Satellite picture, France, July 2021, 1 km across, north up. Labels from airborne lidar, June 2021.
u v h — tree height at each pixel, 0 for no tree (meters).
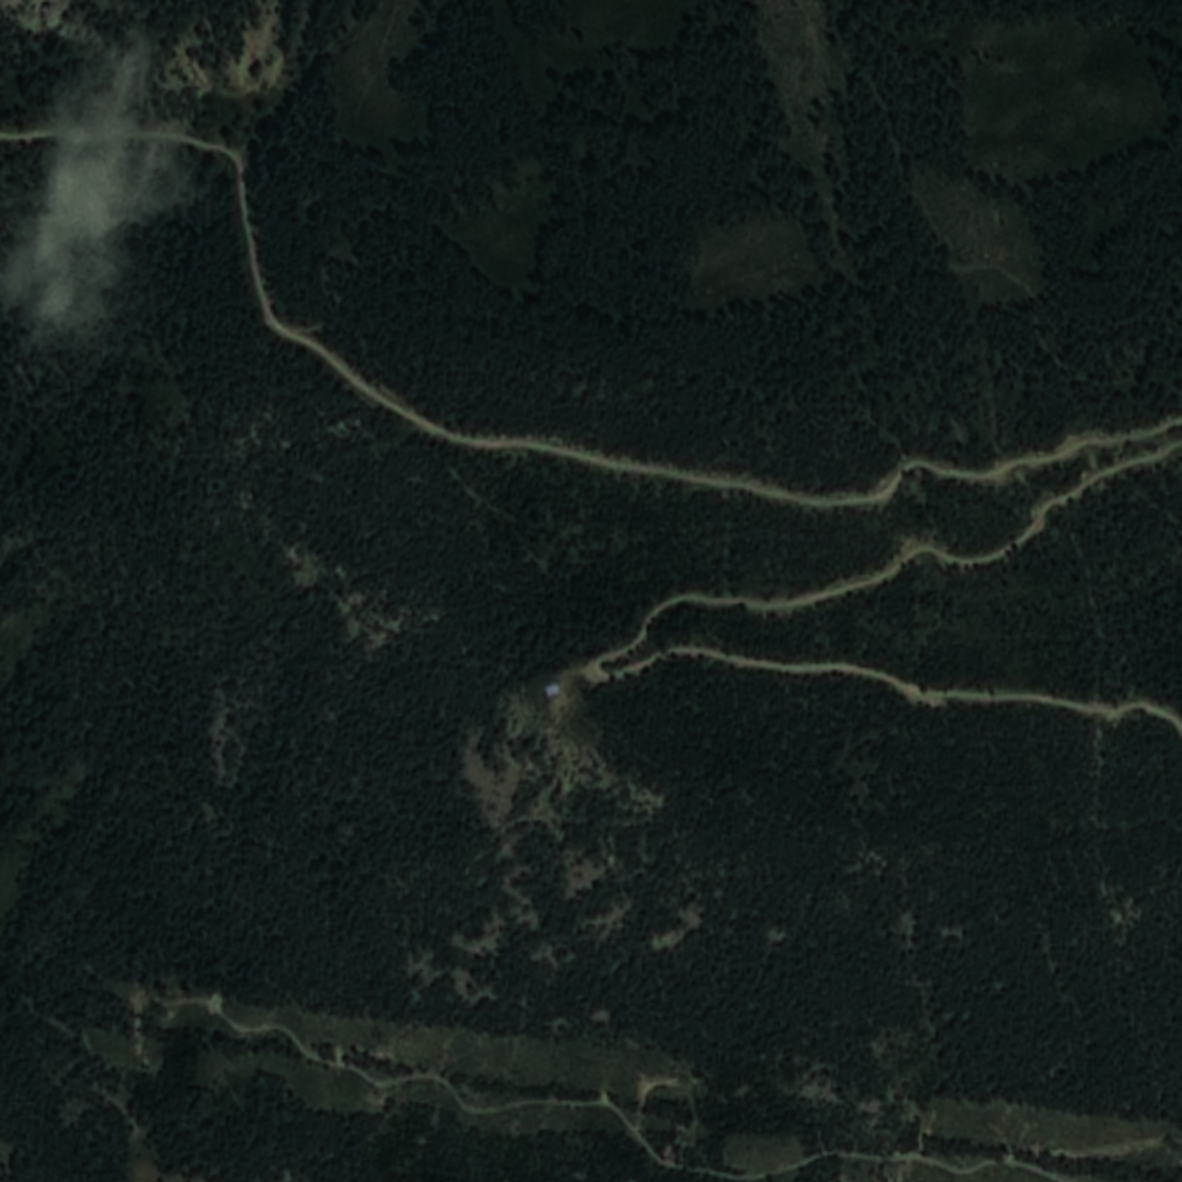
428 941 10
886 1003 10
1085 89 0
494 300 19
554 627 14
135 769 9
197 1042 7
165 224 27
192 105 9
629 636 12
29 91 22
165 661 10
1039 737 7
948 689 6
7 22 7
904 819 7
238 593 8
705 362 18
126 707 14
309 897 8
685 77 31
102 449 10
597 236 30
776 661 6
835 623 7
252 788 6
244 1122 9
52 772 7
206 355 13
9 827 10
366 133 0
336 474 7
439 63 25
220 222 29
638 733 9
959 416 16
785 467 7
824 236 26
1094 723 6
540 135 23
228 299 20
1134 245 21
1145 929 5
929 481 9
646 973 7
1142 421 6
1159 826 7
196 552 10
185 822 8
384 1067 8
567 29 22
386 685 10
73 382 8
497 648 8
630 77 23
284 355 6
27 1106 8
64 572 8
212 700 6
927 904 6
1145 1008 8
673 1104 7
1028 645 6
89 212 18
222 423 9
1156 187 22
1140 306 16
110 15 8
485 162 19
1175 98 27
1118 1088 7
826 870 10
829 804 7
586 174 25
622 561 8
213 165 21
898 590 8
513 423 8
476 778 0
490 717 8
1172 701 7
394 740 9
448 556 6
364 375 6
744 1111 7
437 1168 6
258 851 10
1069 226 23
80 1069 12
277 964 10
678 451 7
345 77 0
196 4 15
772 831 6
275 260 17
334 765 8
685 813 10
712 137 25
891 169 21
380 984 12
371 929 7
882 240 27
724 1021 8
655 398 11
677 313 22
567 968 7
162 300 17
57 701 14
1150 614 9
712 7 25
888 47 23
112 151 0
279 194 20
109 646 13
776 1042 11
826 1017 6
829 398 15
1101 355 8
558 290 24
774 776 6
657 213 26
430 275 25
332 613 10
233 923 11
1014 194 22
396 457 7
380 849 10
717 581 6
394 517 7
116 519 13
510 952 8
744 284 0
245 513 6
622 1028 12
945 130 25
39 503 13
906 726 6
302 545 8
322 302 14
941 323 18
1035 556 11
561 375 9
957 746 7
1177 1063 8
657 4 0
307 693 12
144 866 11
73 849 13
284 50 11
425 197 27
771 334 24
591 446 7
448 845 10
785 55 0
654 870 9
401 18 0
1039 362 15
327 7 19
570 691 0
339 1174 11
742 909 8
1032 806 6
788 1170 0
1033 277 0
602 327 24
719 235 0
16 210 9
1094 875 7
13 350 18
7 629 0
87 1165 12
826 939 7
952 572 9
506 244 0
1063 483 7
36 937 7
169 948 11
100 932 12
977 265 0
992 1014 10
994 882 8
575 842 10
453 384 12
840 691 8
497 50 22
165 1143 7
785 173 29
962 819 8
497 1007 9
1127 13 29
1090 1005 11
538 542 9
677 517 6
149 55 10
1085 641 9
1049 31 0
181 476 9
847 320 20
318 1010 9
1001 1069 11
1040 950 9
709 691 8
